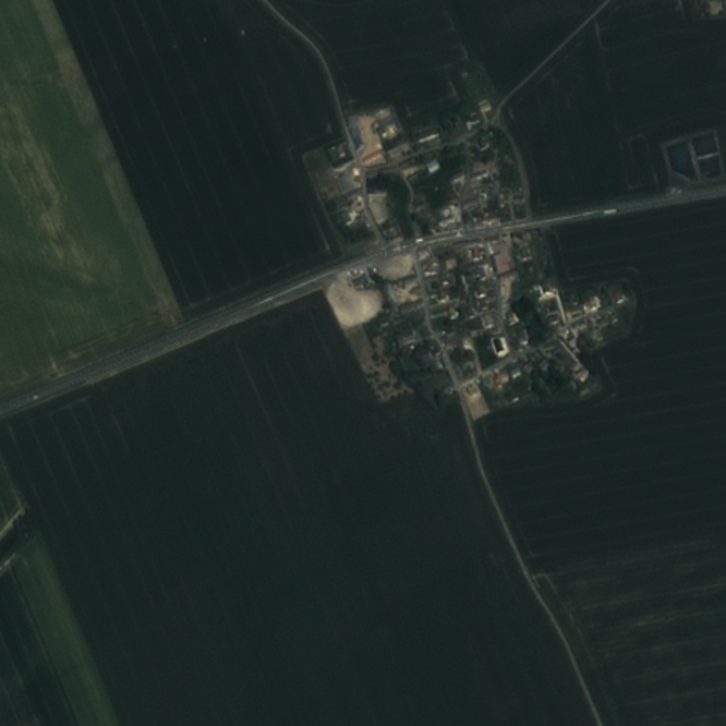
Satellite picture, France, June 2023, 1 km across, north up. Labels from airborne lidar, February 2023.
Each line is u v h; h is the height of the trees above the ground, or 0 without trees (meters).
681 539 0
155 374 0
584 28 0
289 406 0
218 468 0
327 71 0
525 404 0
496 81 0
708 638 0
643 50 0
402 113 0
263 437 0
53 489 0
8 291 0
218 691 0
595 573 0
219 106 0
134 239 0
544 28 0
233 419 0
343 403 0
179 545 0
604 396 0
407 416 0
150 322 0
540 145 0
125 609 0
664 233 0
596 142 0
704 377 0
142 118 0
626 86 0
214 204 0
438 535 0
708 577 0
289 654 0
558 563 0
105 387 0
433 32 0
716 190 0
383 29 0
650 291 0
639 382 0
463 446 0
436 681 0
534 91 0
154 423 0
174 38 0
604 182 0
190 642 0
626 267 0
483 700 0
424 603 0
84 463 0
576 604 0
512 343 6
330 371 0
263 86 0
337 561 0
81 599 0
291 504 0
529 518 0
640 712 0
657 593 0
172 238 0
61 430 0
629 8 0
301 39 0
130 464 0
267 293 0
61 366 0
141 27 0
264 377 0
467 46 0
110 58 0
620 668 0
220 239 0
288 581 0
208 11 0
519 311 17
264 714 0
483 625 0
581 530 0
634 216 0
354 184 0
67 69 0
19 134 0
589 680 0
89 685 0
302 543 0
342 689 0
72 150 0
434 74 0
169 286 0
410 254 0
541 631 0
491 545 0
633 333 0
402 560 0
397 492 0
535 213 0
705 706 0
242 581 0
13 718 0
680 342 0
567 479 0
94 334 0
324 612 0
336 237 0
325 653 0
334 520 0
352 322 0
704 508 0
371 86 0
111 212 0
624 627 0
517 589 0
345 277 0
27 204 0
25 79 0
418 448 0
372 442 0
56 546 0
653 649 0
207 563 0
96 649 0
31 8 0
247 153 0
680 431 0
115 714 0
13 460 0
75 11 0
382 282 7
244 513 0
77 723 0
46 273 0
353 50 0
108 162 0
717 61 0
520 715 0
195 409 0
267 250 0
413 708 0
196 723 0
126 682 0
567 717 0
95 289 0
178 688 0
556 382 10
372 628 0
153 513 0
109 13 0
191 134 0
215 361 0
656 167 0
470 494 0
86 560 0
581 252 0
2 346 0
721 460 0
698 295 0
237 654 0
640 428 0
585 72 0
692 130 0
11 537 6
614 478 0
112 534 0
